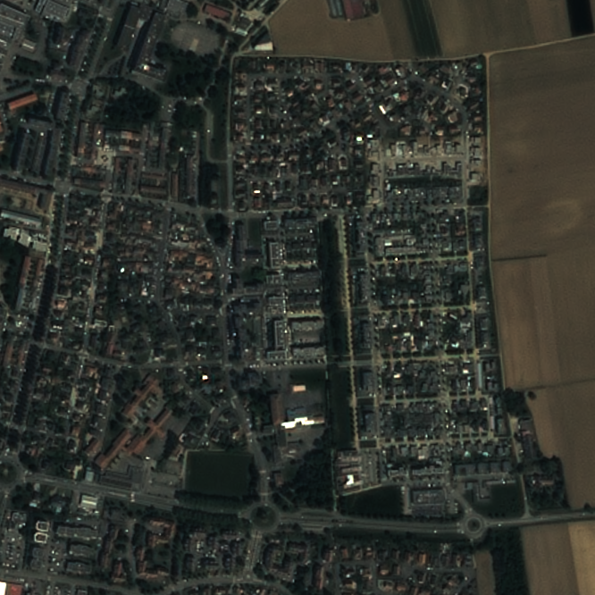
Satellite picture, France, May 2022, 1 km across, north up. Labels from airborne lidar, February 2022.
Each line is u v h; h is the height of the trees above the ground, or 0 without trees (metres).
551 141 0
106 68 0
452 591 0
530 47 0
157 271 0
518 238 0
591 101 0
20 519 0
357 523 0
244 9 10
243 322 0
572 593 0
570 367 0
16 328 0
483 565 0
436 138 0
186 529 13
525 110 0
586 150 0
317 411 0
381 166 0
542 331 0
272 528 0
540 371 0
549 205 0
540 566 0
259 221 0
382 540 0
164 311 0
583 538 0
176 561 9
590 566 0
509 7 0
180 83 13
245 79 0
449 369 0
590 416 0
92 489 0
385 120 0
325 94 0
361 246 0
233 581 0
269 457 11
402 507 0
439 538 0
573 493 0
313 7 0
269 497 0
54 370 0
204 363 0
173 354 0
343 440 0
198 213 0
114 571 0
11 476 0
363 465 0
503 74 0
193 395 0
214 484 0
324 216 0
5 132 0
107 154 0
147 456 0
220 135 0
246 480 0
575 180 0
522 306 0
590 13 0
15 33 0
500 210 0
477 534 0
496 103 0
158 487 0
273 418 0
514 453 0
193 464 0
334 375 0
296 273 0
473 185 0
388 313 0
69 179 0
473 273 0
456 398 0
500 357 0
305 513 0
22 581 0
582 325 0
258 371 0
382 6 0
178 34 0
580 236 0
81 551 0
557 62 0
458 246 0
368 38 0
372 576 0
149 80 0
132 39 0
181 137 0
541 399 0
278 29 0
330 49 0
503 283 0
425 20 0
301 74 0
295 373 0
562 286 0
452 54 0
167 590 0
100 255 10
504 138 0
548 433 0
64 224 0
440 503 0
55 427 9
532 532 0
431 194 0
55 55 0
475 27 0
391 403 0
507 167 0
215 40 0
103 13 0
